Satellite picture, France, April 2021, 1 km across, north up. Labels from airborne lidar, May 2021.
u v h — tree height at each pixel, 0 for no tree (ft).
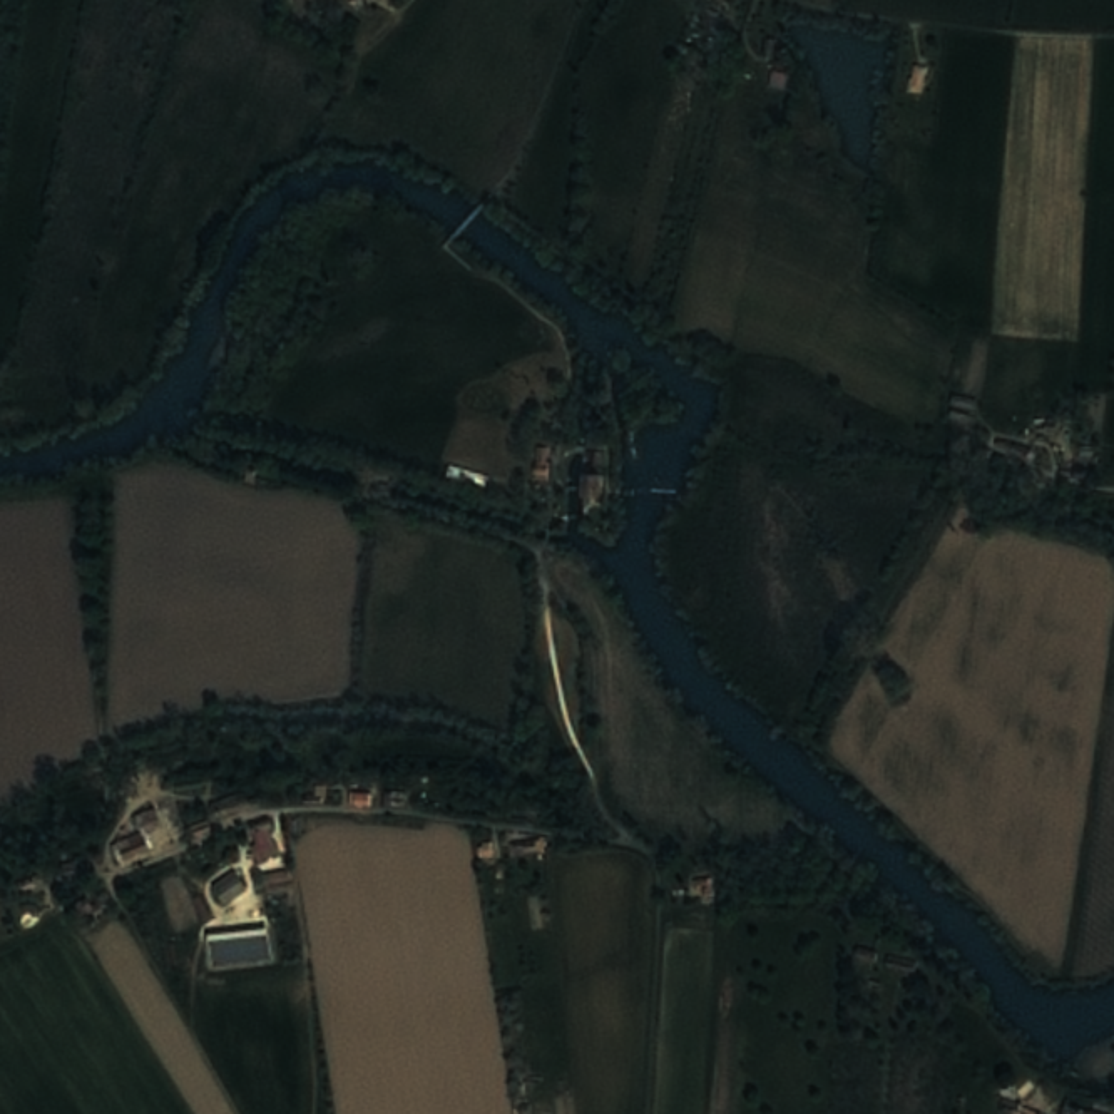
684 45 23
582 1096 0
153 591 0
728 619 0
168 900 0
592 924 0
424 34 0
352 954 0
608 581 68
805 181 0
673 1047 0
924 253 0
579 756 21
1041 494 56
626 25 0
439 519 54
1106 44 0
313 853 0
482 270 0
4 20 26
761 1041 0
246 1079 0
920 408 0
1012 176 0
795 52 31
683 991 0
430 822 0
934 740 0
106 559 39
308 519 0
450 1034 0
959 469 75
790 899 47
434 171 35
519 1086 25
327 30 32
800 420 0
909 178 0
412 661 0
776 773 0
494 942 0
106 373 0
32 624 0
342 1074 0
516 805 65
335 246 0
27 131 0
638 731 0
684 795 0
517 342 0
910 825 0
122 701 0
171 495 0
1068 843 0
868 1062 40
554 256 36
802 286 0
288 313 23
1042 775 0
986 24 0
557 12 0
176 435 67
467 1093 0
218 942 0
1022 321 0
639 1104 0
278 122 0
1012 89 0
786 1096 0
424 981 0
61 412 0
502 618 0
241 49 0
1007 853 0
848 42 0
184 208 0
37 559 0
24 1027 0
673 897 42
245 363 43
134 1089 0
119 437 0
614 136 0
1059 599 0
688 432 0
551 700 0
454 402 0
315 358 0
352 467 24
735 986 0
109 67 0
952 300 0
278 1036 0
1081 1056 0
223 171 0
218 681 0
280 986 0
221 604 0
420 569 0
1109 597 0
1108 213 0
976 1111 0
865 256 0
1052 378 0
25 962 0
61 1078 0
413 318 0
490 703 0
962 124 0
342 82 31
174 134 0
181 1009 0
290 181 0
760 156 0
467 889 0
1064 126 0
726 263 0
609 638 0
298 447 83
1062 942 0
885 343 0
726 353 60
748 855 50
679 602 25
